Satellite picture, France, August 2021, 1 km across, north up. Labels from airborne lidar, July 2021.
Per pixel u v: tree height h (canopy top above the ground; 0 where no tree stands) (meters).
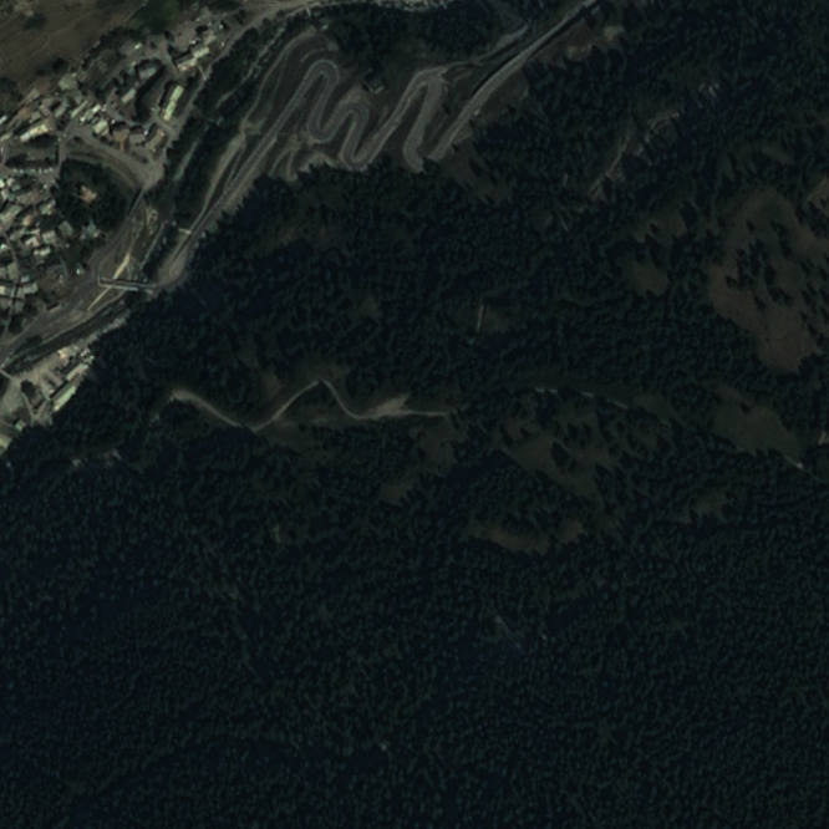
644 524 21
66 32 0
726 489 18
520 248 17
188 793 22
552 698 21
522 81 0
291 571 22
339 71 0
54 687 26
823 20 7
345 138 0
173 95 0
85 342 0
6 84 11
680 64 26
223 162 0
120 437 16
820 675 17
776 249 0
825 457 7
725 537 25
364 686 26
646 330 17
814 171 18
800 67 22
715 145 22
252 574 27
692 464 16
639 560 9
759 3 29
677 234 0
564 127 28
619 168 0
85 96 8
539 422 0
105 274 0
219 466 26
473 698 15
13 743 12
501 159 15
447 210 17
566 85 20
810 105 21
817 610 17
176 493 27
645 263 25
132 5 0
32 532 31
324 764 30
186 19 0
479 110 0
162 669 26
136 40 9
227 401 14
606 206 0
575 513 23
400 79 0
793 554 24
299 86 0
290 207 18
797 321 0
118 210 24
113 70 0
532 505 15
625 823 23
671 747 17
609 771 23
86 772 19
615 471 0
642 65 17
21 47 0
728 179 0
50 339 0
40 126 0
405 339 16
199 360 16
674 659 21
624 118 24
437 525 20
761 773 15
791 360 0
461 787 24
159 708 27
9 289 0
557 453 0
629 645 27
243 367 0
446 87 0
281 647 26
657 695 16
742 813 22
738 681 20
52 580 20
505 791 18
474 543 0
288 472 7
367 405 0
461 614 24
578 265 28
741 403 0
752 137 18
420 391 18
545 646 29
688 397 15
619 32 0
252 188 0
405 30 11
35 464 26
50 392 0
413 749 10
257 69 0
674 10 14
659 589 25
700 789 18
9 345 0
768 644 24
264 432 0
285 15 7
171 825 12
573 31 0
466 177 0
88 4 0
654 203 26
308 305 23
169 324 21
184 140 10
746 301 0
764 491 11
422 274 13
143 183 0
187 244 0
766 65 32
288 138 0
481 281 21
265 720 16
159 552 24
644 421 17
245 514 16
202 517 21
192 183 14
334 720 10
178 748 7
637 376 15
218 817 16
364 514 11
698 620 19
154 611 19
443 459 0
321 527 0
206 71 0
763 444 0
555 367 24
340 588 8
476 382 20
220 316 23
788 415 12
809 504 17
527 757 18
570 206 11
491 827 24
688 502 14
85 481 8
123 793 13
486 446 27
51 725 19
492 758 17
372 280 20
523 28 0
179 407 7
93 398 17
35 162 0
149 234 0
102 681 27
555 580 19
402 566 11
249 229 9
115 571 30
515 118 13
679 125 0
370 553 15
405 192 15
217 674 26
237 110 16
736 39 29
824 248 0
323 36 0
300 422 0
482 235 23
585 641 22
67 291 0
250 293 10
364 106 0
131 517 17
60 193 11
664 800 24
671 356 24
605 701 20
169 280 0
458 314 15
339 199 0
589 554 15
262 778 18
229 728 21
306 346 17
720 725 21
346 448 13
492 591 24
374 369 16
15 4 0
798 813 17
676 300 7
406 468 18
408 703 22
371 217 20
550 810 20
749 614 19
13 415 0
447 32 20
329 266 11
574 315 23
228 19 0
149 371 0
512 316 15
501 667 21
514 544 0
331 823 17
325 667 28
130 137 0
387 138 0
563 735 22
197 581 19
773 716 17
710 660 21
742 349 24
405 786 6
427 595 21
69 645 21
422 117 0
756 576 22
